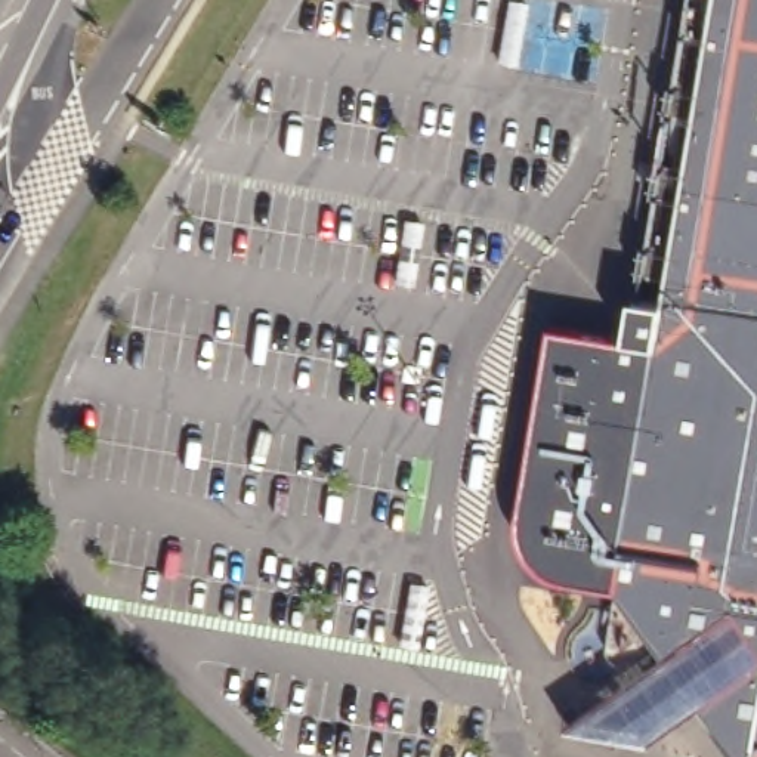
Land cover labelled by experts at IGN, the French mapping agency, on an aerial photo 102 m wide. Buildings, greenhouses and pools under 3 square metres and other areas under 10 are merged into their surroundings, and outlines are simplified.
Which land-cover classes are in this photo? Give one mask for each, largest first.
<instances>
[{"label":"impervious surface","instance_id":"1","mask_svg":"<svg viewBox=\"0 0 757 757\"><path fill-rule=\"evenodd\" d=\"M207 0H130L112 30L109 24H95L98 15L86 9V0H0V349L6 346L12 328L18 325L21 313L27 310L30 299L35 296L38 284L44 281L47 269L59 257L62 245L86 216V210L95 201H101L115 192V186L124 177L118 166L124 163L127 142H136L142 151L169 160V169L160 177L151 198L142 204V213L133 222L109 272L92 290L89 308L65 349L62 367L47 393V405H53V414L47 411L35 432L33 476L35 494L53 512L56 523V541L50 547V562L44 565L41 577H68L71 588L86 600L74 612L77 621L118 662L121 671L139 677H160L166 671L169 677H174L183 695L207 719H213L240 745L245 757H585L588 751L577 745L571 736L574 724L603 704L600 692H624L636 686L648 671H654V654L642 651L639 633L618 597L627 583H618V577H612L606 588L588 591L562 583H547L523 556L520 526L509 517L515 503L541 337L571 334L615 343L621 308L656 305L665 248L654 245L648 281H633V263L642 251L645 237L651 160L662 118V95L668 92L683 0H269L257 24L251 27L248 38L228 62L222 86L198 112L186 142L174 139L160 124L142 118V112L148 101H154V95L160 92V83L174 53L195 27ZM346 352L355 358L367 352V364L376 367L370 381H355L352 373L343 370ZM83 423L95 432V452L89 455L65 449V432H74ZM334 464L349 479V488L340 497H328V506H322L316 503V494L322 485V473ZM302 603H334L331 618L322 624L319 633L305 630V618L299 615ZM0 757H62L53 745L41 742V736H35L30 727L12 722L0 710Z\"/></svg>","mask_w":757,"mask_h":757},{"label":"building","instance_id":"2","mask_svg":"<svg viewBox=\"0 0 757 757\"><path fill-rule=\"evenodd\" d=\"M654 245L665 248L656 305L621 308L615 343L571 334L541 337L515 503L509 517L520 526L523 556L547 583H562L588 591L606 588L612 577H618V583H627L618 597L639 633L642 651L654 654V671H648L636 686L624 692H600L603 704L574 724L571 736L577 745L588 751L585 757H757V0H683L668 92L662 95V118L651 160L645 237L642 251L633 263V281H648Z\"/></svg>","mask_w":757,"mask_h":757},{"label":"herbaceous vegetation","instance_id":"3","mask_svg":"<svg viewBox=\"0 0 757 757\"><path fill-rule=\"evenodd\" d=\"M130 0H86V9L98 15L95 24H109L112 30ZM269 0H207L195 27L174 53L160 83V92L154 95V101H148L142 112V118L160 124L169 109L183 103L186 98L198 112L222 86L228 62L248 38L251 27L257 24ZM124 177L133 183L139 204L133 210L112 213L101 201H95L86 210V216L62 245L59 257L47 269L44 281L38 284L35 296L30 299L27 310L21 313L18 325L12 328L6 346L0 349V470H24L33 476L35 432L47 411L53 414V405H47V393L62 367L65 349L89 308L92 290L109 272L133 222L142 213V204L151 198L160 177L169 169V160L142 151L136 142H127L124 163L118 166ZM86 600L71 588L68 577H41L24 580L18 585V633H27L38 624L68 630L77 621L74 612ZM177 716L195 722L186 739V751L192 757H245L240 745L213 719H207L183 695L177 701ZM35 736H41V742L53 745L62 757H106L95 742L71 733V727L38 722L30 727Z\"/></svg>","mask_w":757,"mask_h":757},{"label":"deciduous trees","instance_id":"4","mask_svg":"<svg viewBox=\"0 0 757 757\"><path fill-rule=\"evenodd\" d=\"M198 112L186 98L183 103L169 109L160 124L174 139L186 142ZM112 213L133 210L139 204L133 183L124 177L115 186V192L101 201ZM343 370L352 373L355 381H370L376 367L367 364V352L355 358L346 352ZM65 449L89 455L95 452V432L83 423L74 432H65ZM349 488V479L334 464L322 473V485L316 494V503L322 506H328V497H340ZM56 541V523L53 512L35 494L33 476L24 470H0V710L12 722L30 727L38 722L71 727V733L95 742L106 757H192L186 751V739L195 722L177 716V701L183 695L174 677H169L166 671L160 677H139L121 671L118 662L77 621L68 630L38 624L27 633H18V585L24 580L41 577L44 565L50 562V547ZM334 603H302L299 615L305 618V630L319 633L322 624L331 618Z\"/></svg>","mask_w":757,"mask_h":757}]
</instances>
